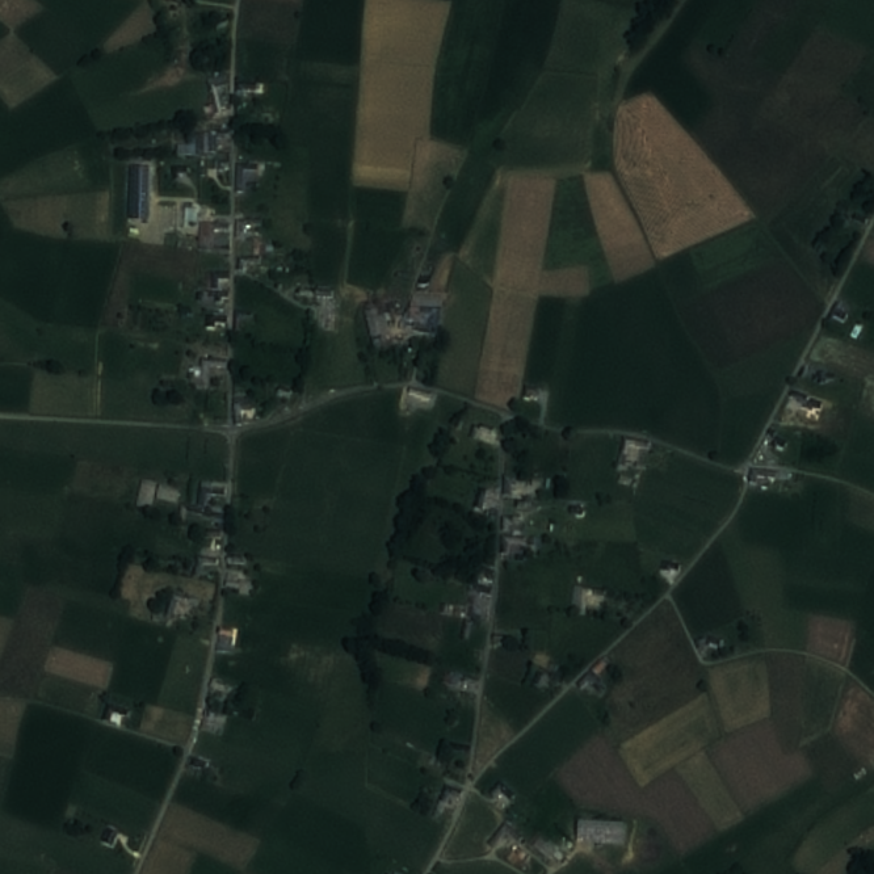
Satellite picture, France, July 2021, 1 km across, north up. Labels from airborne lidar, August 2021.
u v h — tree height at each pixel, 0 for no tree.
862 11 0
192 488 6
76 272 0
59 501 0
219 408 0
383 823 0
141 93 0
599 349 0
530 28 0
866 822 0
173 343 0
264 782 0
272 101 0
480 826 0
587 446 0
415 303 0
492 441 0
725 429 0
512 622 0
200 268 0
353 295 0
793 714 0
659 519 0
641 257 0
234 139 8
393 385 0
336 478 0
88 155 0
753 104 0
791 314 0
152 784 0
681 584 0
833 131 0
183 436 0
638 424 0
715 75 0
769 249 0
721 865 0
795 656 0
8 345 0
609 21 0
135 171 0
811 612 0
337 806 0
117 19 0
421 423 0
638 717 0
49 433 0
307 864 0
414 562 10
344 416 0
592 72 0
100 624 0
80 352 0
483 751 0
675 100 0
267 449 0
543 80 0
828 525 0
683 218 0
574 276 0
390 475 0
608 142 0
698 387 0
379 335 0
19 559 0
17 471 0
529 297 0
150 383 0
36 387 0
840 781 0
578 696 0
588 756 0
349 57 0
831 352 0
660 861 0
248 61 0
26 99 0
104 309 0
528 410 0
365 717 0
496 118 0
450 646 0
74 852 0
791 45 0
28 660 0
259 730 0
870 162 0
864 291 0
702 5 0
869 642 0
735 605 0
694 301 0
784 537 0
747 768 0
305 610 0
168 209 0
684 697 0
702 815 0
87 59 9
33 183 0
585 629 0
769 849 0
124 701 0
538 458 0
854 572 0
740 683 0
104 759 0
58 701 0
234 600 0
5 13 0
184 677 0
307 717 0
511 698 0
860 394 0
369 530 0
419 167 0
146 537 0
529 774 0
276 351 8
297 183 0
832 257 10
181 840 0
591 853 0
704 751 0
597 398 0
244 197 0
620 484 0
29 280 0
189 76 0
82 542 0
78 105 0
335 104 0
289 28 0
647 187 0
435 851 0
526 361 0
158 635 0
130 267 0
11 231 0
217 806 0
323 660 0
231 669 0
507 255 0
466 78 0
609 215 0
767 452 0
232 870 0
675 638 0
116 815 0
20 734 0
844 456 0
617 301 0
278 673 0
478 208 0
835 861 0
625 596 6
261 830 0
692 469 0
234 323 0
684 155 0
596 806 0
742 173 0
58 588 0
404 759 0
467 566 12
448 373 0
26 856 0
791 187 0
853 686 0
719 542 0
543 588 0
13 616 0
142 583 0
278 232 0
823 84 0
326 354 0
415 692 0
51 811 0
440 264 0
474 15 0
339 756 0
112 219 0
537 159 0
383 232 0
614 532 0
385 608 15
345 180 0
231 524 14
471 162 0
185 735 0
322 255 0
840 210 12
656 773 0
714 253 0
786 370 0
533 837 0
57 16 0
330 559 0
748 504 0
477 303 0
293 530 0
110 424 0
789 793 0
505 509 0
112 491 0
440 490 0
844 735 0
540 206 0
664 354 0
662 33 0
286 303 0
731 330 0
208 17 8
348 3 0
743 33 0
